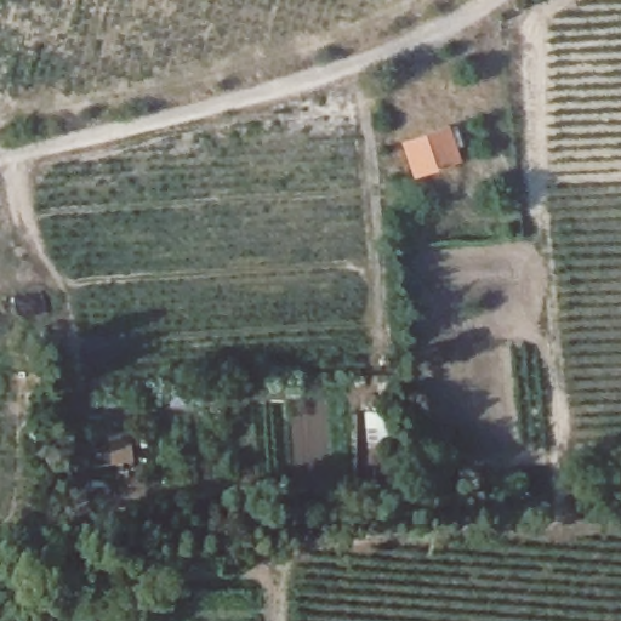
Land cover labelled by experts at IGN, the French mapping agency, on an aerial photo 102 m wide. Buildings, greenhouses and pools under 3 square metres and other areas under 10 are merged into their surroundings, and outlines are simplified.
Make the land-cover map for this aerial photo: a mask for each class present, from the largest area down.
<instances>
[{"label":"agricultural land","instance_id":"1","mask_svg":"<svg viewBox=\"0 0 621 621\"><path fill-rule=\"evenodd\" d=\"M349 99H327V95L320 90L289 95L284 99H272L264 104L226 109L213 116L175 124L167 129L143 131L116 141L82 146L58 155H41L32 160L29 170V187L36 218L46 252L56 262L61 274L78 279L92 274H124L141 269V281L63 291L53 289L46 267L39 262V257L32 250V243L24 238V226H15L12 221L5 180L0 175V366H12L17 381H27V374H34L32 354L46 340H53L61 374L68 371V378L75 386L73 391L92 400V391L102 386H121L138 391L155 381L158 366H170V361H187L206 354L209 371L218 374L223 364H235L252 383H260L262 388H267V381H274L286 371L303 374L301 400H289L281 405L255 403L245 408L223 410L226 425L230 427L228 437L233 461L238 463V473L247 475L252 485L286 480L296 490H311L318 500L340 480L378 483L386 490L388 480L381 473V468L371 463L369 446L364 412L361 408H352L349 393L354 388V381H383L391 371L386 366L371 364V335L364 320L369 308V286L361 281L359 274L344 272L347 260L359 262L366 257L361 196L364 133L359 126H354L352 133H335V129L342 126L347 119ZM318 410L323 412L325 441L330 454L313 463H296L294 434L286 425L291 422V415L303 417L315 415ZM512 374L522 437L517 439V444L522 449H551L553 393L548 371L536 344L517 342L512 349ZM163 611L155 621H267L264 589L257 580H247L245 572L226 575L223 580L216 577L211 592L180 587L177 599L160 602Z\"/></svg>","mask_w":621,"mask_h":621},{"label":"deciduous trees","instance_id":"2","mask_svg":"<svg viewBox=\"0 0 621 621\"><path fill-rule=\"evenodd\" d=\"M449 209L441 206L437 192L425 189L420 177H412L410 170L395 172L388 182L386 189H381L383 235L378 245V257L386 267V318L391 325V354L386 359V366L391 371L383 381L386 391L376 398L374 408L386 425V437L376 446H369L371 463L381 468V473L388 480L386 490L378 483L340 480L318 500L311 490H296L286 480L252 485L247 475L238 473V463L233 461L228 437L230 427L226 425L223 410L245 408L255 403L281 405L289 400H301L303 374L286 371L274 381H267V388H262L260 383H252L235 364H223L218 374L209 371L206 354L187 361H170V366H158L155 381L138 391L121 386H102L92 391V400L95 408H114L124 412V432L133 439L129 446L133 458H148L143 471L146 495L141 500H126L124 507H112L114 546L99 543L97 534H92L85 524L70 526L73 505L68 500L65 488L56 490L61 478L53 475L70 471V463L61 456V451H56L58 444H73V434L63 429L58 417L61 398L53 386L61 374L53 340H46L32 354L34 374L39 376V383L32 391V403L22 434V446L27 456L24 478H32L34 483L32 509H22V517L12 524L0 522V621H155L163 611L160 602L177 599L180 587L211 592L216 577L223 580L226 575L245 572L267 563H289L291 568L298 563H313V551L318 546V539L323 534H340L354 541L366 534H381L398 526L410 529L415 512L429 514L439 524L456 526H463L473 524L478 514L485 512L488 524L495 534L509 531L517 529L526 509H534L536 514L548 517L551 522H592L597 534L616 536L621 531V432L616 437L597 439L592 449H582L570 458L565 456H560L558 463H553L558 475V490L553 495L531 492L526 488L524 473L505 475V480L492 492H485L478 485V475L468 471V466L456 456V449H439L432 441L408 437L410 420L400 415V405L403 383L412 378L415 340L410 335V325L415 320V308L403 286V233L425 226L429 218L439 221ZM488 313L480 298H463V320Z\"/></svg>","mask_w":621,"mask_h":621},{"label":"vineyard","instance_id":"3","mask_svg":"<svg viewBox=\"0 0 621 621\"><path fill-rule=\"evenodd\" d=\"M381 0H0V92H7L15 99H29L34 95L32 87H56V82H61L63 95H85L102 90L116 80H148L153 78V68L182 73L189 63L196 61L199 65L209 68L211 61H218L238 51L245 44H260L264 34H323L330 24L357 22L374 12ZM553 56L551 65H616L619 70L556 73L551 75L548 87V102L556 104V112L551 124L553 133L548 136V165L543 170L553 172L546 189V209L551 213L553 230V260L558 272V325L565 361L563 378L570 408V437L565 456L570 458L582 449H592L597 439L616 437L621 432V0H577L572 10H560L553 15V22L548 27ZM289 609L284 621H621V531L616 536L597 534L577 536L572 543L507 539V543L492 546V551H478L466 546L463 526H456L454 534H449L434 548V558H427L425 543L383 541L371 546V553H347L318 546L313 551V563H298L291 568L286 592Z\"/></svg>","mask_w":621,"mask_h":621},{"label":"herbaceous vegetation","instance_id":"4","mask_svg":"<svg viewBox=\"0 0 621 621\"><path fill-rule=\"evenodd\" d=\"M434 0H381L374 12L357 22L330 24L323 34H264L260 44H245L238 51L218 61H211L209 68L199 65L196 61L189 63L182 73L153 68V78L148 80H116L102 90L85 95H63L61 82H56V87H32L34 95L29 99H15L7 92H0V129L10 124L17 114L82 112L92 104L119 107L136 97L165 99L167 109L206 102L230 90L257 87L262 82L286 78L349 56L344 44L361 34L364 27L383 29L395 17H415ZM526 15V10L517 0H509L505 7L485 15L478 24L466 27L454 41H446L441 46H417L388 61H378L359 73V87L366 97L376 102L371 124L378 146V177L381 182H388L395 172L410 170L403 150L405 141L420 138L429 129H451L454 133H458V177L451 182L441 180L439 175L420 177L425 189L437 192L441 206L449 209L439 221L437 228L446 230L449 240H437L434 247L446 255L454 247L466 245L529 240L536 230V223L531 218L534 204L529 201L526 189V121L519 73L524 36L519 17ZM61 398L58 417L63 429L73 434V444H58L56 451H61V456L70 463V471L53 475L61 478L56 490L65 488L68 500L73 505L70 526L85 524L92 534H97L99 543L114 546L112 507H124L126 500H141L146 495L143 471L148 458H133L131 463L121 466L109 463L112 451L129 446L133 439L124 432V412L114 408H95L92 400L73 391L75 386L68 378V371L61 374L53 386ZM597 534L592 522H551L548 517L536 514L534 509H526L517 529L509 531L495 534L488 524L485 512L478 514L473 524L463 526L466 546L478 551H492V546L507 543V539L572 543L577 536ZM456 526L439 524L429 514L415 512L410 529L398 526L381 534H366L354 541L340 534H323L318 539V546L347 553H371V546L383 541L425 543L427 558H434V548L449 534H454Z\"/></svg>","mask_w":621,"mask_h":621},{"label":"plowed land","instance_id":"5","mask_svg":"<svg viewBox=\"0 0 621 621\"><path fill-rule=\"evenodd\" d=\"M526 10V15L519 17L524 36L519 73L526 121V189L529 201L534 204L531 218L536 223V230L529 240L466 245L454 247L446 255L434 247L437 240H449L446 230L437 228L439 221L429 218L425 226L403 233V286L415 308V320L410 325V335L415 340L412 378L403 383L400 405V415L410 420L408 437L432 441L439 449H456V456L468 466V471L478 475V485L485 492H492L505 480V475L524 473L526 488L531 492L553 495L558 490V475L553 463H558L560 456H565L570 437V408L563 378L565 361L558 325V272L553 260V230L551 213L546 209V189L553 172L543 170L548 165V136L553 133L551 124L556 112V104L548 102V87L551 75L556 73L619 70L616 65H551L553 56L548 27L553 22V15L560 10H572L577 0H517ZM463 298H480L488 313L463 320ZM517 342L536 344L548 371L553 393L551 449H522L517 444V439L522 437L512 374V349ZM320 90L327 95V99H349L347 119L342 126L335 129V133H352L354 126H359L364 133L361 196L366 257L359 262L347 260L344 272L359 274L361 281L369 286V308L364 320L371 335V364L386 366V359L391 354V325L386 318V267L378 257V245L383 235L381 189H386L388 182H381L378 177V146L371 124L376 102L366 97L359 87V73L327 82ZM294 434L296 463H313L330 454L325 441L323 412L318 410L315 415L303 417L291 415V422L286 425ZM247 580H257L264 589L267 621H284L289 609L286 592L291 568L289 563H267L245 572Z\"/></svg>","mask_w":621,"mask_h":621},{"label":"impervious surface","instance_id":"6","mask_svg":"<svg viewBox=\"0 0 621 621\"><path fill-rule=\"evenodd\" d=\"M509 0H471L463 7L432 22L417 24L371 51L349 56L286 78L262 82L257 87L230 90L206 102L167 109L138 116L133 121L95 124L82 131L36 141L22 148H0V175L5 180L12 221L15 226H24L36 218L29 187V170L32 160L41 155H58L82 146L116 141L143 131L167 129L175 124L213 116L226 109L264 104L272 99H284L289 95L320 90L327 82L359 73L378 61H388L417 46H441L446 41H454L466 27L478 24L485 15L505 7Z\"/></svg>","mask_w":621,"mask_h":621},{"label":"brushwood","instance_id":"7","mask_svg":"<svg viewBox=\"0 0 621 621\"><path fill-rule=\"evenodd\" d=\"M471 0H434L415 17H395L383 29L364 27L361 34L344 44L349 56L371 51L417 24L432 22L463 7ZM167 109L165 99L136 97L119 107L92 104L82 112L17 114L10 124L0 129V148H22L36 141L82 131L95 124L133 121L138 116ZM12 366H0V522L12 524L22 517V509H32L34 483L32 478H24L27 456L22 446V434L32 403V391L39 383V376L34 374H27V381H17Z\"/></svg>","mask_w":621,"mask_h":621},{"label":"building","instance_id":"8","mask_svg":"<svg viewBox=\"0 0 621 621\"><path fill-rule=\"evenodd\" d=\"M403 150L410 170L412 177H420L439 175L441 180L451 182L458 177V133H454L451 129H429L420 138L405 141ZM386 391L383 381H354V388L349 393L352 408H361L364 412L369 446H376L386 437V425L374 408L376 398ZM133 458L129 446L112 451L109 463L121 466L131 463Z\"/></svg>","mask_w":621,"mask_h":621},{"label":"pervious surface","instance_id":"9","mask_svg":"<svg viewBox=\"0 0 621 621\"><path fill-rule=\"evenodd\" d=\"M24 238L32 243V250L39 257V262L46 267L53 289L63 291L141 281V269L124 274H92L78 279L61 274L56 262L46 252L36 218L24 226Z\"/></svg>","mask_w":621,"mask_h":621}]
</instances>
